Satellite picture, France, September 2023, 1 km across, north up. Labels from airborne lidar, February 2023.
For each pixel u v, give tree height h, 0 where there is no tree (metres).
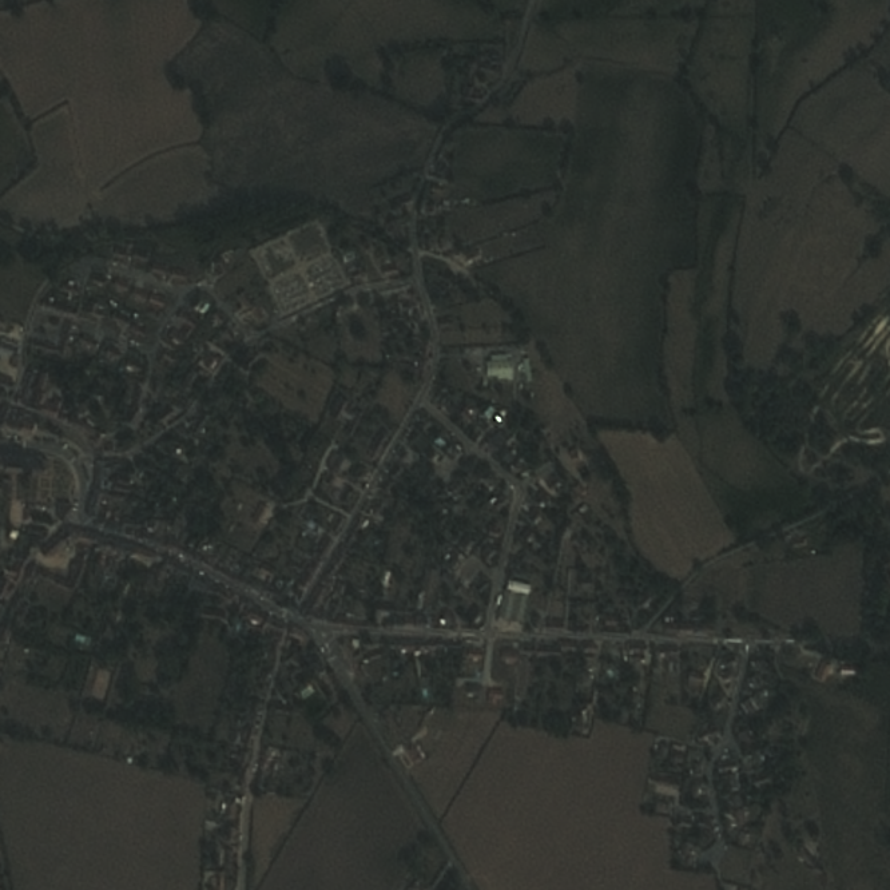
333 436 0
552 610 0
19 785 0
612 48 0
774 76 0
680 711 0
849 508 20
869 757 0
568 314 0
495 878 0
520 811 0
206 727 0
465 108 10
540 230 0
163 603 8
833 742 0
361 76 0
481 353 0
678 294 0
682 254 0
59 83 0
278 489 13
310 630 0
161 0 0
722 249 0
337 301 10
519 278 0
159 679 14
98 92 0
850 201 0
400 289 0
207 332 0
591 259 0
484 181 0
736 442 0
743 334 0
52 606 0
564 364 0
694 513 0
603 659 6
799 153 0
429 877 0
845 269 0
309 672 12
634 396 0
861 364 0
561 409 0
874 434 0
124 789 0
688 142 0
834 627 0
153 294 0
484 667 0
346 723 0
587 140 0
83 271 0
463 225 0
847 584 0
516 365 0
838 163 0
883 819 0
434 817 0
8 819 0
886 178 0
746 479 0
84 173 0
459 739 0
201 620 11
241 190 0
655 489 0
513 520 0
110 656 13
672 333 0
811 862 0
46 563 0
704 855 0
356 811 0
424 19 0
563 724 13
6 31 0
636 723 9
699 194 15
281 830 0
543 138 0
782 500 0
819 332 0
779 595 0
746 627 0
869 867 0
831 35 0
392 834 0
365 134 0
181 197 0
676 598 10
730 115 0
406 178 8
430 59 0
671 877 0
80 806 0
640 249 0
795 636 9
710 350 0
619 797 0
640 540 0
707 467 0
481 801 0
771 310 0
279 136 0
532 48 0
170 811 0
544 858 0
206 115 19
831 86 0
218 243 0
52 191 0
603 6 0
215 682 0
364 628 0
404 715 0
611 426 8
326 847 0
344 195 0
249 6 0
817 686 0
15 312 0
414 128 0
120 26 0
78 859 0
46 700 0
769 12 0
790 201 0
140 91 0
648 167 0
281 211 15
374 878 0
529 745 0
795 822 0
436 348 0
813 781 0
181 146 0
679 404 0
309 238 0
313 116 0
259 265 0
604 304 0
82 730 0
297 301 0
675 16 10
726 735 0
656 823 0
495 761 0
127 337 0
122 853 0
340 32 0
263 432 13
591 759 0
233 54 0
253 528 0
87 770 0
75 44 0
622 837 0
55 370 16
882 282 0
